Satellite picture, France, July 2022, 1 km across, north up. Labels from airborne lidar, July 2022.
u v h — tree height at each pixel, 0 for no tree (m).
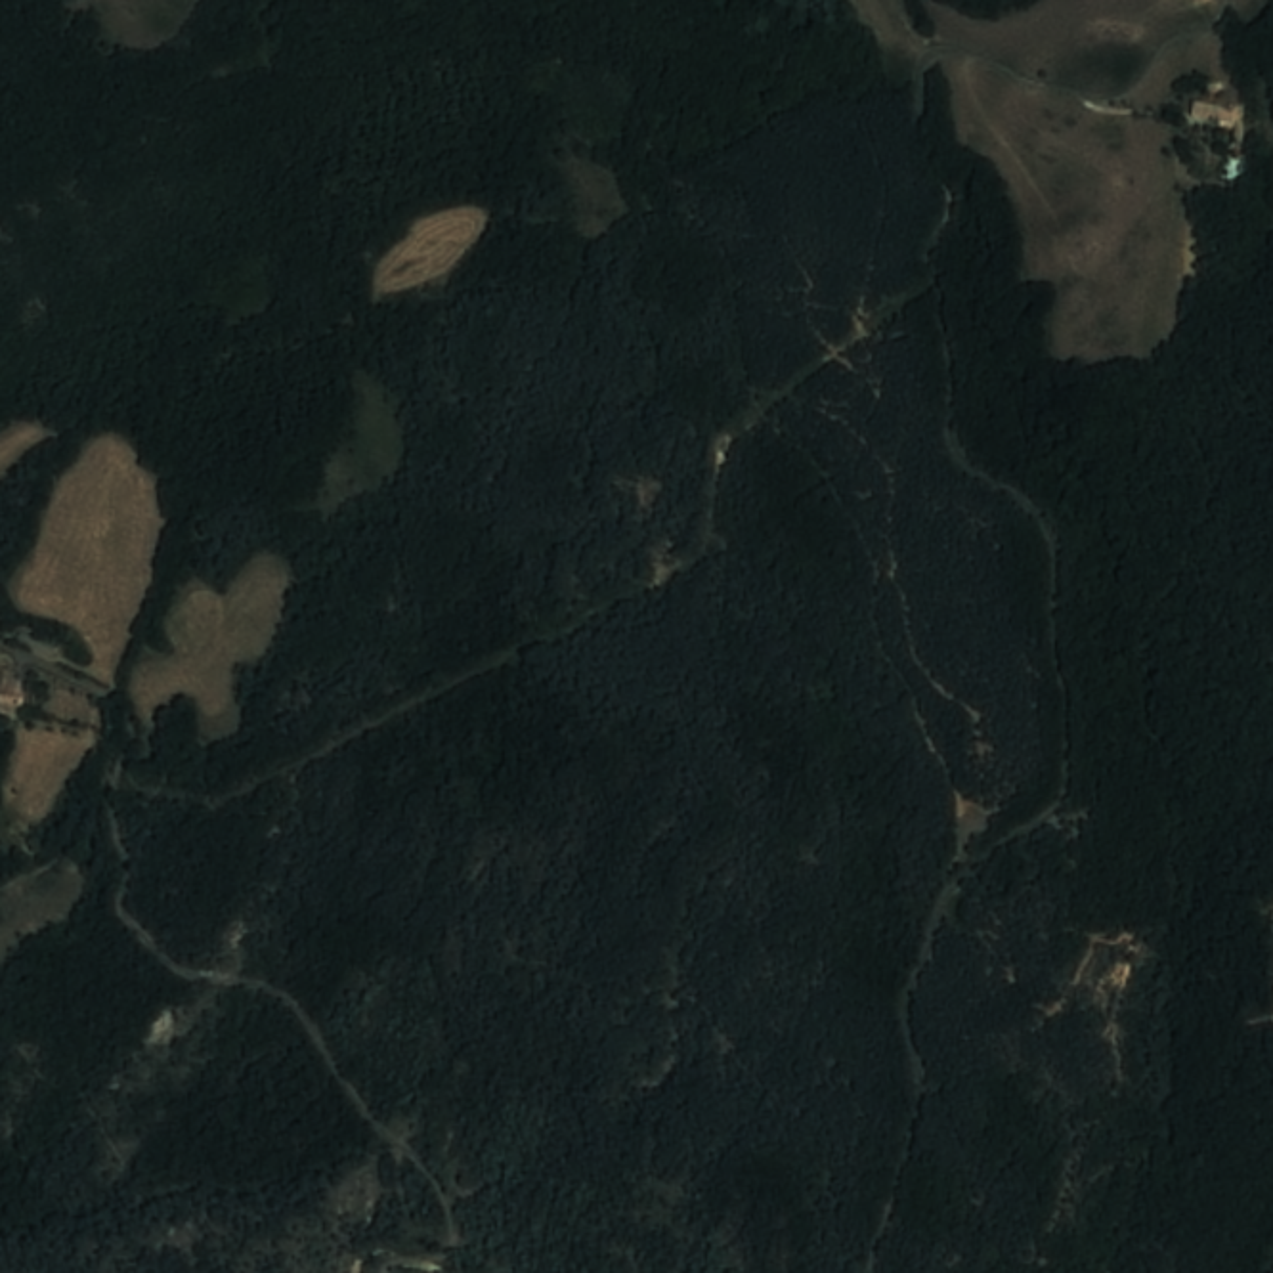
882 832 13
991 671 12
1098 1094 9
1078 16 0
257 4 12
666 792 16
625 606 13
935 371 9
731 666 14
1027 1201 13
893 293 11
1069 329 0
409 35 11
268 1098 13
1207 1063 15
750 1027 13
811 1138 17
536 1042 8
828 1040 16
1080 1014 8
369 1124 13
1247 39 21
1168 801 14
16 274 8
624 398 15
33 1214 12
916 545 12
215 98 10
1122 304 0
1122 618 19
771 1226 9
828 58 14
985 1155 17
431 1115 10
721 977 13
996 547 12
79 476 0
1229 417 13
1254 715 12
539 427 13
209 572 16
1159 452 20
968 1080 13
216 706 0
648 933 12
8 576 9
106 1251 8
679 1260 9
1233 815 14
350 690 13
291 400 15
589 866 7
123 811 12
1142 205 0
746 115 14
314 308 13
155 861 10
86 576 0
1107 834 16
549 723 6
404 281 0
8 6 11
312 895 14
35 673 8
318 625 11
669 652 12
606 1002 14
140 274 11
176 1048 11
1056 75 0
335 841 12
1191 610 13
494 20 14
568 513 20
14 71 9
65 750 0
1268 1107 11
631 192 12
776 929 11
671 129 17
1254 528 11
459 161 16
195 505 15
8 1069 11
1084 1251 10
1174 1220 8
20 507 10
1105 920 11
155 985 8
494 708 6
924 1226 12
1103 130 0
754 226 13
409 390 6
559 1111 9
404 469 10
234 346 15
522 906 14
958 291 18
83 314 11
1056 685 15
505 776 15
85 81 11
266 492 15
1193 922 19
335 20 12
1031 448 23
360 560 11
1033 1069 8
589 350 17
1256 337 16
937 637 14
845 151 17
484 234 9
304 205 8
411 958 10
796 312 9
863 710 22
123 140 10
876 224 16
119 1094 8
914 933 8
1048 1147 10
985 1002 15
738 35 16
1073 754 14
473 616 7
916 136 15
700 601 10
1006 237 13
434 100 13
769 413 9
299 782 8
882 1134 11
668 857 10
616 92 0
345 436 6
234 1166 9
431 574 13
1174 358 17
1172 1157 19
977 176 19
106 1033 8
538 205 16
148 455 13
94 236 7
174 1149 10
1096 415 21
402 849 12
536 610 7
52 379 10
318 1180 14
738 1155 10
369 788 12
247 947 10
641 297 11
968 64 0
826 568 13
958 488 14
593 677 12
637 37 15
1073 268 0
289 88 14
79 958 8
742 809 10
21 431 0
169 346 21
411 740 9
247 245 11
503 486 15
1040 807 12
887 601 11
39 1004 6
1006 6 8
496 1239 11
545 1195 10
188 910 9
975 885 13
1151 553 20
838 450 11
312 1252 8
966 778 15
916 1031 14
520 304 13
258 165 14
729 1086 11
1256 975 12
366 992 11
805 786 7
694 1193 7
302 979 10
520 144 12
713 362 10
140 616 10
